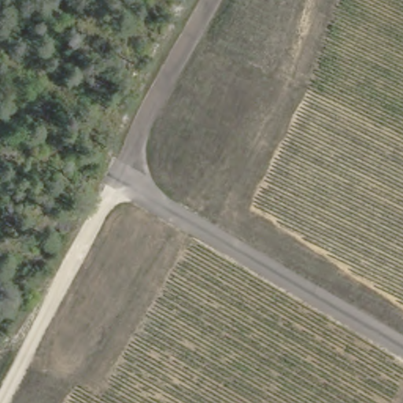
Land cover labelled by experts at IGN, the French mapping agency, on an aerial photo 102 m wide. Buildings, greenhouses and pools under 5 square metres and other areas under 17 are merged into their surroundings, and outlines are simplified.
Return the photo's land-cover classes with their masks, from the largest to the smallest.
<instances>
[{"label":"vineyard","instance_id":"1","mask_svg":"<svg viewBox=\"0 0 403 403\"><path fill-rule=\"evenodd\" d=\"M315 9L318 13L324 14L323 27L326 28L318 35L312 57L304 68V72H313L315 79L305 83L307 91L291 115L287 135H283L277 143L263 178L253 190L250 211L268 219L280 233L298 239L302 246L326 258L343 274L348 275L349 279L362 283L403 312V0H323ZM179 247L178 257L172 268L165 271L161 287L154 291L153 301L146 307L142 320L135 327L128 342L124 343L120 356L113 362L104 381L94 386L87 384V387L80 389L72 387L61 403H403V357L384 353L383 349L368 342L367 338L360 337L356 332L349 331L348 327L329 320L309 305L294 301L287 294L271 287L269 283L253 277L238 264L230 263L227 258L216 255L213 250L200 246L195 242L197 238L189 231L175 230Z\"/></svg>","mask_w":403,"mask_h":403},{"label":"herbaceous vegetation","instance_id":"2","mask_svg":"<svg viewBox=\"0 0 403 403\"><path fill-rule=\"evenodd\" d=\"M200 0H148L151 8L146 11V17L128 22L118 33L112 31L109 25L96 27L94 17H74L72 25H69L72 30L69 44L74 49H79V43L90 35H98L109 41L110 52L107 57L113 63L116 76L123 79V90L121 93L113 94L109 109L99 112L98 128L88 135L85 143V148L91 150V153L76 159L68 157V161L65 162L66 172L76 175V198L72 200L74 205L71 211L58 214V224L54 230H50L49 239L46 241L47 252L54 253L57 258H50L36 277L24 280L27 290L20 293L16 287L9 291L6 299L0 301V386L19 349L24 345L31 326L35 323L44 296L60 268L61 261L77 238L83 222L91 214L96 213L101 201V190L105 184L102 181L109 170L110 159L120 156L126 137L131 132L135 113L142 105L143 96L150 90L151 83L161 71L179 36L183 35L187 20L194 13ZM323 0H224L216 16L211 20L208 31L200 39L194 54L176 80L170 98L154 118L146 143V162L154 184L170 200L187 206L192 213L205 217L211 224L227 231L239 241L249 244L252 249L279 261L285 268L302 275L304 279L335 294L337 298L354 305L357 309L364 310L368 315L403 335V312L362 283L349 279L348 275L343 274L326 258L302 246L298 239L280 233L268 219L250 211L253 190L263 178L277 143L283 135H287L291 115L307 91L305 83L315 79L313 72H304V68L312 57L318 35L326 28L323 27L324 14L318 13L315 9ZM179 247L175 230L168 227L167 222L159 219L156 213L145 211L129 201L113 206L104 217L87 257L83 258L79 271L74 275L68 291L58 305L57 312L52 316L49 326L39 340L33 359L14 392L11 403H61L72 387L80 389L87 387V384L94 386L104 381L113 362L120 356L124 343L128 342L135 327L142 320L146 307L153 301L154 291L161 287L165 271L172 268L178 257Z\"/></svg>","mask_w":403,"mask_h":403},{"label":"coniferous trees","instance_id":"3","mask_svg":"<svg viewBox=\"0 0 403 403\"><path fill-rule=\"evenodd\" d=\"M151 8L148 0H0V72L3 74L8 71L9 66H20L17 71L19 77L13 79L16 96L9 94L8 101L0 109V301L6 299L9 291L16 287L20 293L27 290L24 280L36 277L50 258H57L54 253L47 252L46 241L49 239L50 230H54L58 224V214L71 211L74 205L72 200L76 198V175L66 172L65 162L68 161V157L76 159L91 153V150L85 148V143L88 135L98 128L99 112L109 109L113 94L121 93L123 90V79L116 76L113 63L107 57L110 52L109 41L98 35H90L79 43V49H74L69 44L72 30L69 25H72L74 17H94L96 27L109 25L112 31L118 33L128 22L146 17V11Z\"/></svg>","mask_w":403,"mask_h":403},{"label":"impervious surface","instance_id":"4","mask_svg":"<svg viewBox=\"0 0 403 403\"><path fill-rule=\"evenodd\" d=\"M224 0H200L194 13L187 20L183 35L179 36L161 71L151 83L150 90L143 96L142 105L135 113L131 132L126 137L120 156L110 159L109 170L102 181L105 184L124 187L129 201L145 211L156 213L159 219L167 222L168 227L175 230L189 231L197 238L195 242L200 246L213 250L216 255L227 258L230 263L238 264L253 277L269 283L271 287L287 294L294 301L309 305L329 320L348 327L349 331L356 332L360 337L367 338L368 342L383 349L384 353L403 357V335L368 315L364 310L357 309L354 305L337 298L335 294L304 279L302 275L285 268L279 261L252 249L249 244L239 241L227 231L211 224L205 217L192 213L187 206L170 200L154 184L146 162V143L154 118L170 98L176 80L194 54L200 39L208 31L211 20L216 16Z\"/></svg>","mask_w":403,"mask_h":403},{"label":"pervious surface","instance_id":"5","mask_svg":"<svg viewBox=\"0 0 403 403\"><path fill-rule=\"evenodd\" d=\"M129 201L124 187L105 184L101 190V201L96 213L91 214L83 222L77 238L61 261L60 268L44 296L35 323L31 326L24 345L19 349L0 386V403H11L14 392L33 359L39 340L49 326L52 316L57 312L58 305L68 291L74 275L79 271L83 258L87 257L104 217L113 206Z\"/></svg>","mask_w":403,"mask_h":403},{"label":"deciduous trees","instance_id":"6","mask_svg":"<svg viewBox=\"0 0 403 403\"><path fill-rule=\"evenodd\" d=\"M20 66H9L8 71L3 74L0 72V109L8 101L9 94L16 96L13 79L19 77L17 71Z\"/></svg>","mask_w":403,"mask_h":403}]
</instances>
